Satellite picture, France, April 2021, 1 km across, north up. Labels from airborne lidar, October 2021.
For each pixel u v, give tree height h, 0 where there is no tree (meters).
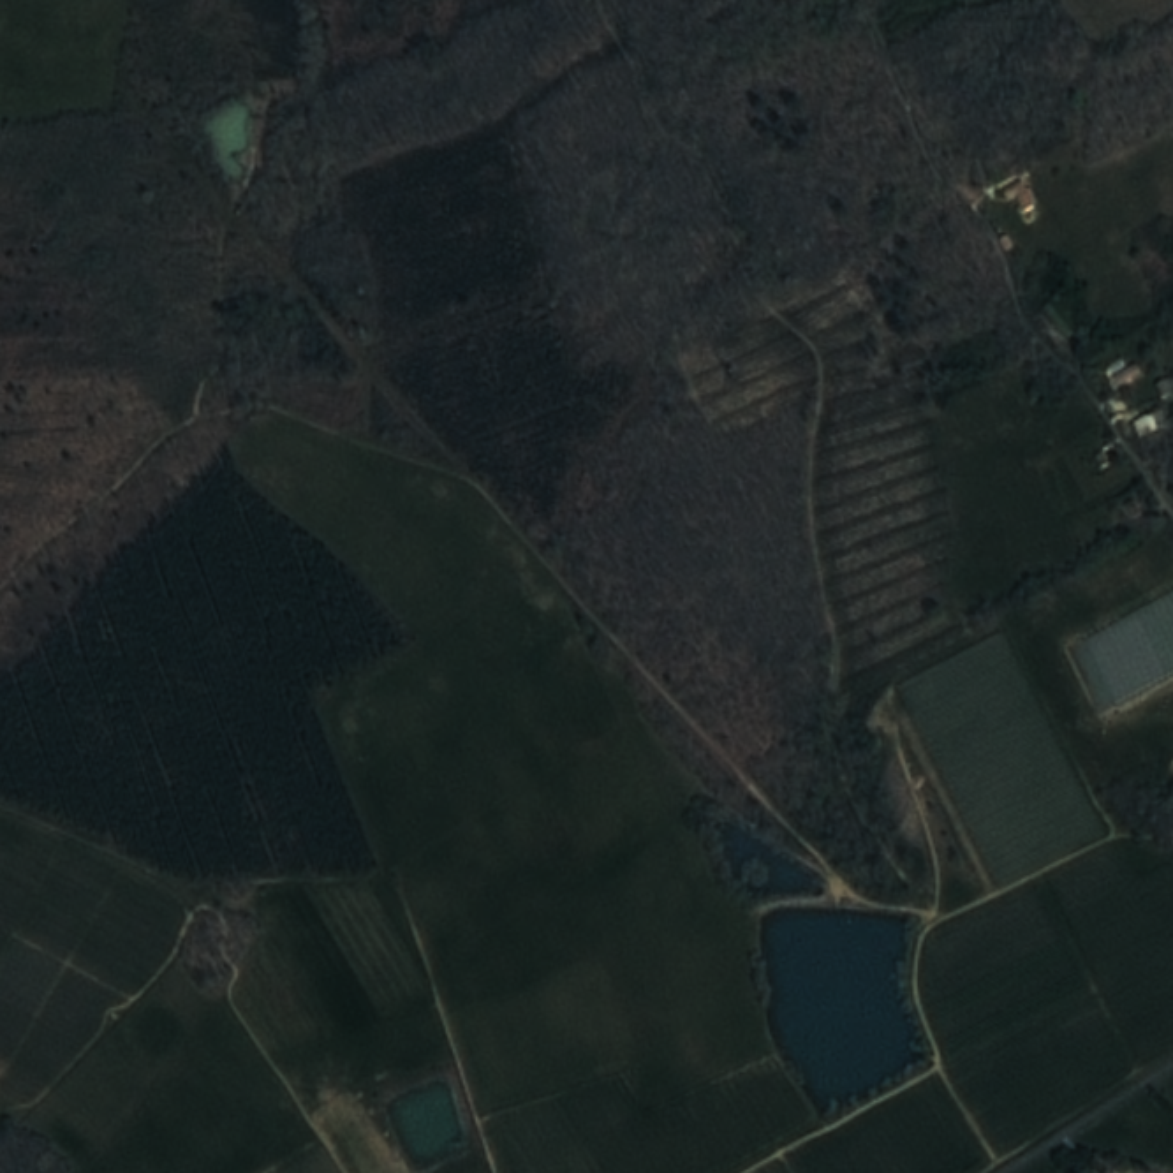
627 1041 0
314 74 22
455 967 0
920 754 0
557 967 0
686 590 12
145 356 7
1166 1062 0
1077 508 0
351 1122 0
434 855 0
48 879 0
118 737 12
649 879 0
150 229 9
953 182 16
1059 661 0
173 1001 0
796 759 16
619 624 10
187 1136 0
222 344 13
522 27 19
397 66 13
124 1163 0
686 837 0
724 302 21
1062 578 6
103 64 0
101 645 10
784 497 17
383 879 0
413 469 0
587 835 0
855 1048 0
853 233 13
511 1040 0
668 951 0
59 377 7
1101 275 0
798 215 14
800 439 16
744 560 14
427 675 0
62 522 10
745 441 13
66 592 7
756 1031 0
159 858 11
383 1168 0
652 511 13
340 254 13
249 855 9
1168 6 0
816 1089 0
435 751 0
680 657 8
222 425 9
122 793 11
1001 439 0
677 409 13
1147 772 8
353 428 6
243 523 11
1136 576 0
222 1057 0
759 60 19
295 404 6
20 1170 16
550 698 0
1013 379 0
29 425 6
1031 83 11
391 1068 0
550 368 6
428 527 0
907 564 0
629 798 0
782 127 20
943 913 0
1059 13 10
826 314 0
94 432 10
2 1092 0
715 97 7
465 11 7
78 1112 0
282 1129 0
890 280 12
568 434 6
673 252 21
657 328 15
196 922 13
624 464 6
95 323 8
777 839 16
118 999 0
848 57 14
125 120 7
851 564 0
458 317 6
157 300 8
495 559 0
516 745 0
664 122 19
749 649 12
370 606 9
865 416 0
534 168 13
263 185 17
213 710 12
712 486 15
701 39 17
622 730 0
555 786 0
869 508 0
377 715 0
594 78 18
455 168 5
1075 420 0
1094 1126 0
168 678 9
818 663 15
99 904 0
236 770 11
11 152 15
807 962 0
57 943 0
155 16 6
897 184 12
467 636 0
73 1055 0
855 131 11
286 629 13
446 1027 0
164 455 12
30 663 9
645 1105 0
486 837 0
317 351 20
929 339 18
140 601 12
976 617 11
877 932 0
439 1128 0
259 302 12
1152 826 13
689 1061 0
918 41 12
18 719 12
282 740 13
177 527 13
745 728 10
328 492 0
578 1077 0
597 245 14
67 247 10
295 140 16
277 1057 0
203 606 13
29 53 0
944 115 8
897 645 0
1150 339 10
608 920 0
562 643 0
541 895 0
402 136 19
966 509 0
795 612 18
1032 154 7
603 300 16
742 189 19
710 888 0
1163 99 15
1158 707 0
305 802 12
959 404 0
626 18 20
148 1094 0
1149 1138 0
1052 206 0
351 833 12
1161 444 7
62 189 14
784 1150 0
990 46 14
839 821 24
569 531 6
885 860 22
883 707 0
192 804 11
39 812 10
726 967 0
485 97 16
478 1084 0
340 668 12
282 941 0
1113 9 0
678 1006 0
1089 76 7
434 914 0
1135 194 0
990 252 14
